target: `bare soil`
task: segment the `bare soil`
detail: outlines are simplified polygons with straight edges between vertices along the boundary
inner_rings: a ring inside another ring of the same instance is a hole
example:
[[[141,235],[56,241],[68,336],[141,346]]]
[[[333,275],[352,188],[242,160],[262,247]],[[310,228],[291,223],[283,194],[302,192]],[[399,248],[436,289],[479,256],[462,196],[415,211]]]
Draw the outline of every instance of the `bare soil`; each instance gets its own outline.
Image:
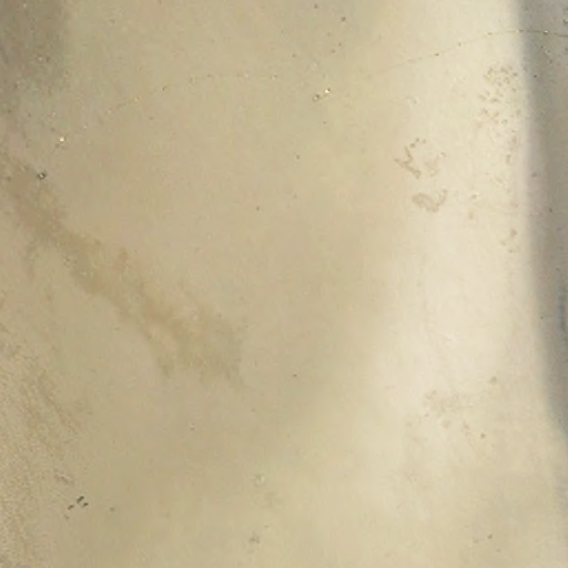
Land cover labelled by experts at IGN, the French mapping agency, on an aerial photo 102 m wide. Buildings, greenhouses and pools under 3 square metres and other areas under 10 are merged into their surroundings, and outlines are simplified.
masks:
[[[568,0],[0,0],[0,568],[568,568]]]

